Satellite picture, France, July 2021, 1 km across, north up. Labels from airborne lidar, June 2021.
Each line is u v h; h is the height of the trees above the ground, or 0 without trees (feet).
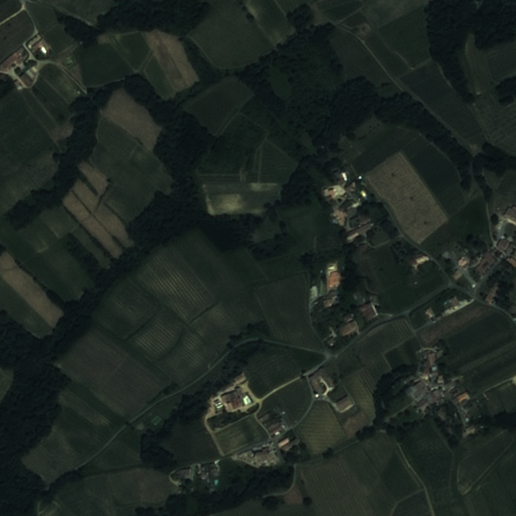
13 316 0
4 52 0
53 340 75
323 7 0
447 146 78
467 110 0
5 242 0
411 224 0
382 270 19
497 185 0
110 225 0
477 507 0
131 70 0
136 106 0
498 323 0
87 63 0
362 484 0
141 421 0
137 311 0
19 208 60
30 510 45
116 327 0
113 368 0
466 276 0
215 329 0
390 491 0
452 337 0
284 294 0
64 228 0
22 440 35
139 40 0
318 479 0
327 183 0
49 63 0
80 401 0
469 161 44
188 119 68
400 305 0
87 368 0
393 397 22
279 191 0
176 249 0
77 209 0
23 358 94
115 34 0
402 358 0
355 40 0
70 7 0
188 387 0
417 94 0
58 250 0
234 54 0
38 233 0
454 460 0
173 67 0
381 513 0
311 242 0
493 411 0
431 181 0
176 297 0
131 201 0
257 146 0
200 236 0
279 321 0
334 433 0
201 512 23
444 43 39
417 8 0
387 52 0
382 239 0
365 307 0
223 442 0
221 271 0
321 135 50
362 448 0
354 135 25
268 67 40
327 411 0
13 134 0
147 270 0
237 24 0
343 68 40
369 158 0
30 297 0
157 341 0
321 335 0
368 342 0
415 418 0
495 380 0
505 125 0
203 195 0
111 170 0
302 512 0
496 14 86
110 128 0
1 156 0
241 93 0
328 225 0
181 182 45
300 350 0
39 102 0
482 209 0
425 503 0
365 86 58
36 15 0
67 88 0
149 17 73
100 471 0
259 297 0
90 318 51
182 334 0
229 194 0
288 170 0
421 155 0
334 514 0
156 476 0
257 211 0
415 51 0
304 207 0
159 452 72
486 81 0
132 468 0
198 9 31
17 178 0
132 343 0
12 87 21
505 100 47
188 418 65
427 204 0
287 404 0
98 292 27
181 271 0
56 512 0
